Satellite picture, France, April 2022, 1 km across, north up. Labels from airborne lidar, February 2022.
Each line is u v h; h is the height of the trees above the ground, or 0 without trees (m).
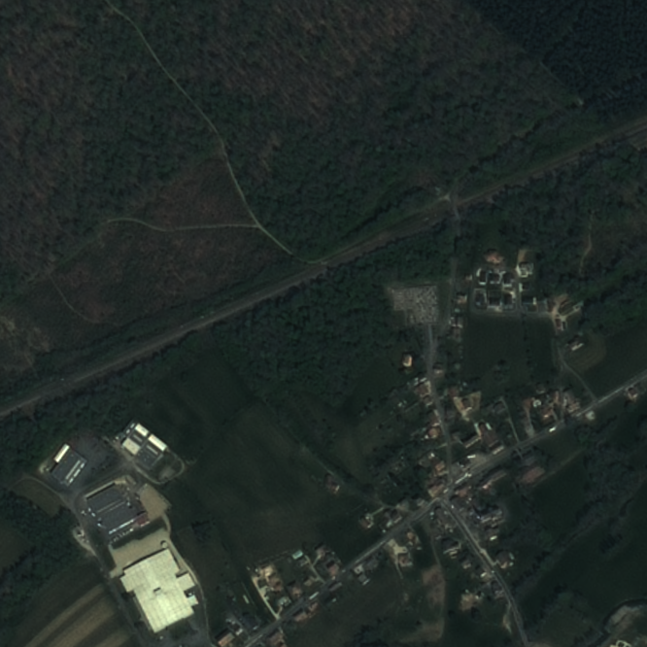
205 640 0
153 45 25
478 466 0
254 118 29
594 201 26
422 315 0
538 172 0
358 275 25
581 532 19
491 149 25
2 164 25
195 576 0
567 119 26
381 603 0
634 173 27
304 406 9
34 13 27
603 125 13
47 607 0
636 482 20
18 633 0
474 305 0
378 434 0
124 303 6
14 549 0
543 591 0
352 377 22
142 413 0
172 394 0
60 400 15
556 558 18
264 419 0
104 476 0
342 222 23
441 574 0
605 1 26
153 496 0
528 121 22
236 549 0
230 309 0
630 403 10
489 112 25
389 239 0
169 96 24
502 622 0
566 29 21
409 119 30
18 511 19
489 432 0
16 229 28
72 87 27
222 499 0
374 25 30
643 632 0
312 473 0
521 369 0
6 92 30
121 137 29
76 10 24
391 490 0
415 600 0
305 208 29
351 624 0
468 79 31
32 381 10
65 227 27
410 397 0
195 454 0
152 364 23
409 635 0
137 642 0
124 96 20
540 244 29
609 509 22
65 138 28
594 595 0
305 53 30
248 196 24
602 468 21
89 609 0
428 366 0
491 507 0
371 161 26
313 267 0
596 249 0
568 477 0
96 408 27
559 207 30
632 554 0
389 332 26
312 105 33
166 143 28
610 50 29
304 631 0
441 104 29
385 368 0
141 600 0
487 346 0
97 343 10
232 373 0
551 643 0
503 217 21
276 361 25
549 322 0
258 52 28
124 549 0
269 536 0
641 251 29
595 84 29
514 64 28
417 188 7
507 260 0
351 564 0
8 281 30
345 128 29
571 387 6
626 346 0
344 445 0
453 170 27
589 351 0
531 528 17
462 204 0
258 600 0
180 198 8
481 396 0
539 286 0
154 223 6
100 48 24
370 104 27
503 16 28
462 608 0
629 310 25
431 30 30
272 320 29
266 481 0
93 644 0
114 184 27
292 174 30
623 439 0
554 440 0
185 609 0
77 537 0
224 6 31
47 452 20
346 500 0
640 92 32
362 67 29
